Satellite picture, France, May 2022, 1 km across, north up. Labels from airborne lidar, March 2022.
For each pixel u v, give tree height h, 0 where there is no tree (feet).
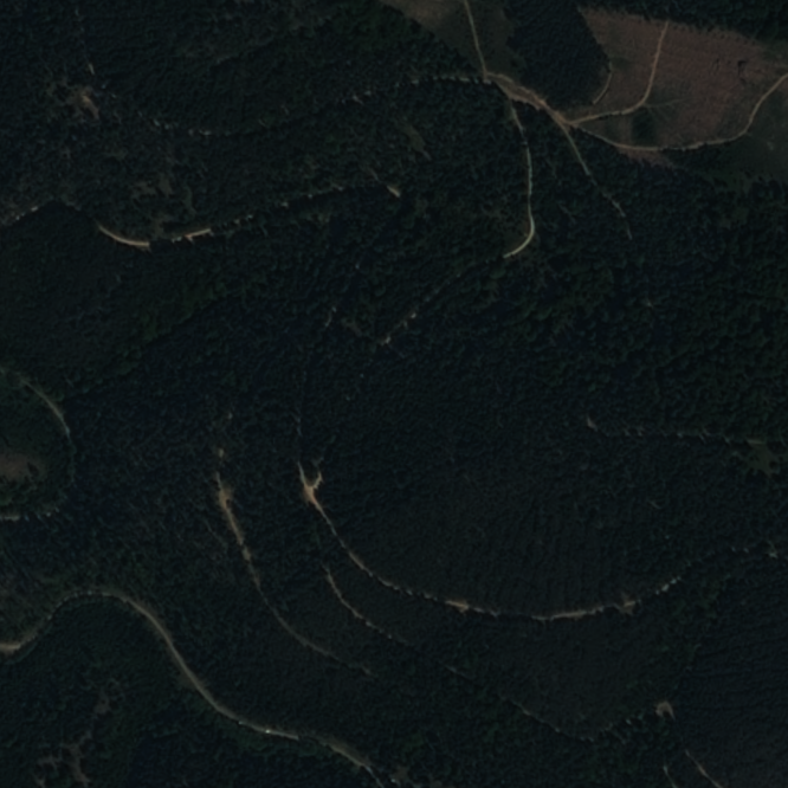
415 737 102
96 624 23
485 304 28
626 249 92
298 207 111
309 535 86
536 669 60
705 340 101
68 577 29
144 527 93
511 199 28
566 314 30
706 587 108
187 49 31
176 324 58
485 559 47
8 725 21
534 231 0
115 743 43
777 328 92
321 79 89
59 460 39
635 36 0
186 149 78
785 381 92
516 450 76
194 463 92
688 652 82
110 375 86
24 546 103
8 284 83
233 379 75
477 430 66
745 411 75
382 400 93
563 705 50
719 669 77
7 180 106
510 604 61
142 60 61
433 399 62
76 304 44
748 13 96
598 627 49
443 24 0
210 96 56
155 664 44
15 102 84
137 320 63
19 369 66
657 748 94
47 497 47
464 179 32
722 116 0
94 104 88
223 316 88
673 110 0
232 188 81
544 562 55
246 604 33
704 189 53
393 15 88
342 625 65
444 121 106
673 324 98
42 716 28
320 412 82
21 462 0
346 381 91
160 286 61
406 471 55
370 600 56
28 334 58
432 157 101
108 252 37
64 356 57
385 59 92
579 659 53
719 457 88
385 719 78
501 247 26
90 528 93
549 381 92
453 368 92
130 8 90
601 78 73
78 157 84
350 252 98
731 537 94
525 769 90
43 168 99
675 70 0
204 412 121
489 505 63
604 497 56
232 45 42
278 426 105
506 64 0
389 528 73
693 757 43
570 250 102
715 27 76
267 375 87
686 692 67
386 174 81
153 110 40
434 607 72
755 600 84
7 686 28
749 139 0
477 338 31
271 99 68
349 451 70
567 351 89
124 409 106
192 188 73
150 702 47
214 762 82
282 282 97
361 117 94
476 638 96
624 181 84
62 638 42
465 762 87
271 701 87
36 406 35
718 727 60
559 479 73
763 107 0
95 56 74
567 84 77
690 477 86
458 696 78
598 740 87
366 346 56
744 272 91
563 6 77
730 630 71
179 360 94
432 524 69
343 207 124
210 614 110
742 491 96
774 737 50
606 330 99
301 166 99
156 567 29
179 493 108
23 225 74
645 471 70
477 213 105
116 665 22
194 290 95
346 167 103
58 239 76
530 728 55
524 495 72
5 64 100
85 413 96
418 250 35
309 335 109
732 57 0
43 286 59
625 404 81
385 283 35
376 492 69
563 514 55
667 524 44
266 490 94
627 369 73
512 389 87
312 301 87
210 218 69
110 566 111
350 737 94
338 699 58
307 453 78
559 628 45
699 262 77
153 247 69
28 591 94
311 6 40
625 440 69
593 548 64
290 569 94
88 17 78
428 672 80
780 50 0
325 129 94
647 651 78
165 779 82
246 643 66
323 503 71
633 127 0
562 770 73
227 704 71
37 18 95
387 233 61
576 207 89
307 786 104
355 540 72
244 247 104
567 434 77
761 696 73
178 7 70
